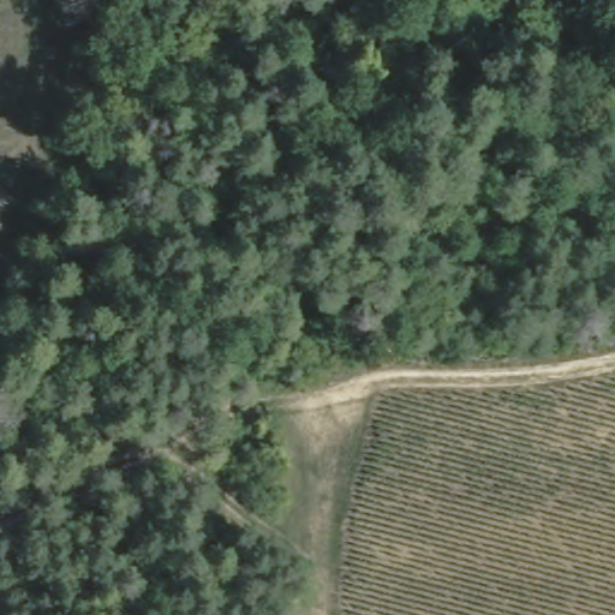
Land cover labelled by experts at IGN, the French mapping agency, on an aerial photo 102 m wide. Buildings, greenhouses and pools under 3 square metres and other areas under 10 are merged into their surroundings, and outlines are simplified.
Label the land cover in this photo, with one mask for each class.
<instances>
[{"label":"coniferous trees","instance_id":"1","mask_svg":"<svg viewBox=\"0 0 615 615\"><path fill-rule=\"evenodd\" d=\"M531 0H507L495 19L471 14L464 29L449 34L430 31L423 41L392 38L394 50L380 55L375 46L365 48L360 41L341 43L336 38V24L341 17H346L356 24L358 31L368 34V29L387 24L401 7H406L404 0H247L240 12L235 7H226V17L216 29V41L211 43V50L207 55L187 60L190 96L185 101H168V108L178 118L156 120L151 111L139 106V113L132 115V120L125 127L115 130L111 161H106L103 166H94L84 154L65 156L72 168L62 178L65 190L46 192L43 202L36 204V211H31V219L24 223V231L12 240V245H5L0 252V615H288L293 610L291 601L308 584V579L300 574V562L295 557H279L257 538H240L238 524L228 521L219 512H211V492L207 483L216 478L221 492H231L245 512L267 519L276 514L279 502L283 500V483L291 480L293 466L298 461H308L312 454L305 442V435L295 425L303 408H288L291 399L295 396L293 392H286L281 384L271 382L257 384L252 382V375L247 370L243 372L240 382H233L226 368V351H209V336H202L197 329L185 332L183 324H175V315L168 312V308L180 298L178 293L187 286L192 291L202 288L195 303L197 308L211 310L216 305L221 317H250L252 312L267 310L264 300L269 295H281L283 288H293L295 293L288 303L291 322L281 334L276 353L262 363V370L276 375V370L286 365L293 341L300 334H308L315 341V348L320 351L322 368V372L308 384V389L312 392L329 389L339 382H348L368 372L360 363L365 360V344L370 339V332H387L389 339H394L401 329V315L394 308L404 298V288L408 286L406 271L401 269V257L408 255L411 235L420 228L423 216L435 219L442 233H432L430 240L447 255L459 252L466 243L461 240V233L449 231V226L464 209L466 214H476L485 209L488 219L478 226V235L485 247H500L502 233L509 231L521 235L519 250L502 259L500 271L495 274L492 291L471 283L466 300L461 303L464 320L456 322L449 332V341L435 346L432 332H423V336L416 341V356L406 368H437L435 360L444 351H454L459 344L466 341L480 344L495 329L500 339L514 348V358L495 365L485 353H480L473 356L464 370L555 365L577 358L615 353V259L610 255L608 243L596 240L601 228L589 209L572 207L562 211L555 226H543L529 219L526 211L531 183L545 175L550 168H555L557 173H572L577 183V195L598 190L601 202H615V161L608 147L610 137L598 130L574 137L569 125H560L553 137L536 139L519 130L500 127L504 118L500 106V91L519 89L521 98L531 101L543 113H550V72L555 65V55H560L569 65L589 58L593 65H598L603 58L615 55V43L605 34L608 26L596 24L598 0H545V10H553L560 34L557 38H545L533 34L521 19V12L529 10ZM308 34L312 36V62L295 65L291 55V41ZM358 70H377V74L382 77L372 98V108L363 111L351 123L363 139L372 137L375 132H382L389 123L399 118L416 120V130L425 132L430 139V168L425 173V185L416 187V199L408 204L401 195V185H406L408 180L392 171L377 151H365L363 144L348 149L344 142H320V156L310 163L305 161V156L293 151L295 137L303 135L310 125L308 120L312 113L308 106L317 103L327 94L329 101L339 98L341 89L356 79ZM113 202L125 209L127 228L115 238L101 240L98 209L111 211Z\"/></svg>","mask_w":615,"mask_h":615},{"label":"vineyard","instance_id":"2","mask_svg":"<svg viewBox=\"0 0 615 615\"><path fill-rule=\"evenodd\" d=\"M336 485L348 490V512L341 521L339 562L329 560L332 591H324V596H329V615H615V370L596 377L550 380L531 389L490 387L370 392L368 396H363V416L344 432V440L339 444Z\"/></svg>","mask_w":615,"mask_h":615},{"label":"deciduous trees","instance_id":"3","mask_svg":"<svg viewBox=\"0 0 615 615\"><path fill-rule=\"evenodd\" d=\"M247 0H91L82 12L79 24L74 26V31L79 34L77 48L82 58L79 65H74V96L60 115L58 130L48 139V147L65 156L84 154L94 166H103L106 161H111L115 130L125 127L132 120V115L139 113V106L151 111L156 120L178 118L168 108V101H185L190 96L187 60L207 55L211 50V43L216 41V29L226 17V7H235L240 12ZM507 0H404L406 7H401L387 24L368 29V34L358 31L356 24L346 17H341L336 24V38L341 43L360 41L365 48L375 46L380 55L394 50L392 38L423 41L430 31L449 34L464 29L471 14L495 19ZM521 19L533 34L545 38H557L560 34L553 10H545V0H531L529 10L521 12ZM596 24L608 26L605 34L615 43V0H598ZM291 55L295 65L312 62V36L308 34L291 41ZM550 113H543L531 101L521 98L519 89L500 91V106L504 118L500 127L519 130L536 139L553 137L560 125H569L574 137L598 130L610 137L608 147L615 161V55L603 58L598 65H593L589 58L569 65L560 55H555V65L550 72ZM382 77L377 74V70H358L356 79L341 89L339 98L329 101L327 94L317 103L308 106L312 113L308 120L310 125L303 135L295 137L293 151L305 156V161L310 163L320 156V142H344L348 149L363 144L365 151H377L392 171L408 180L406 185H401V195L408 204L416 199V187L425 185V173L430 168V139L425 132L416 130V120L399 118L389 123L382 132H375L372 137L363 139L351 123L363 111L372 108V98ZM572 207L589 209L601 228L596 240L608 243L610 255L615 259V202H601L598 190L577 195V183L572 173H557L555 168H550L545 175L531 183L526 211L529 219L543 226H555L562 211ZM101 240L115 238L127 228L125 209L113 202L111 211L98 209ZM488 219L485 209L476 214H466L464 209L449 226V231L461 233V240L466 243L459 252L447 255L430 240L432 233H442L435 219L423 216L420 228L411 235L408 255L401 257V269L406 271L408 286L404 288V298L394 308L401 315V329L394 339H389L387 332H370V339L365 344V360L360 363L368 372L406 368L416 356V341L423 336V332H432L435 346L449 341V332L456 322L464 320L461 303L466 300L471 283L492 291L495 274L500 271L502 259L519 250L521 235L509 231L502 233L500 247H485L478 235V226ZM202 288L192 291L187 286L178 293L180 298L168 308V312L175 315V324H183L185 332L197 329L202 336H209V351H226V368L233 382H240L243 372L247 370L252 375V382L257 384L271 382L281 384L286 392H312L308 389V384L322 372V368L320 351L315 348V341L308 334H300L293 341L286 365L276 370V375L262 370V363L276 353L281 334L291 322L288 303L295 293L293 288H283L281 295H269L264 300L267 310L252 312L250 317H221L216 305L211 310L197 308L195 303ZM480 353H485L495 365L514 358V348L500 339L495 329L480 344L466 341L459 344L454 351H444L435 360L437 368L464 370L473 356Z\"/></svg>","mask_w":615,"mask_h":615},{"label":"herbaceous vegetation","instance_id":"4","mask_svg":"<svg viewBox=\"0 0 615 615\"><path fill-rule=\"evenodd\" d=\"M91 0H0V252L5 245H12V240L24 231V223L31 219V211H36V204L43 202L46 192L65 190L62 178L72 168L65 156L48 147V139L58 130L60 115L74 96V65H79L82 58L77 48L79 34L74 31V26L79 24L82 12ZM339 444H327L322 452L312 454L308 461H298L293 466L291 480L283 483V500L279 502L276 514L267 519L245 512L231 492H221L216 478L207 483L211 492V512H219L228 521L238 524L240 538H257L279 557H295L300 562V574L308 579V584L291 601L293 610L288 615H329V596H324V591H332L329 560L339 562L341 521L348 512V490L336 485Z\"/></svg>","mask_w":615,"mask_h":615},{"label":"pervious surface","instance_id":"5","mask_svg":"<svg viewBox=\"0 0 615 615\"><path fill-rule=\"evenodd\" d=\"M615 370V353L577 358L555 365L464 370L437 368H406L368 372L348 382H339L329 389L312 392H293L295 396L291 399L288 408H303L295 425L305 435V442L312 454L322 452L327 444H339L344 440V432L363 416V396H368L370 392L490 387L531 389L550 380L596 377Z\"/></svg>","mask_w":615,"mask_h":615}]
</instances>
